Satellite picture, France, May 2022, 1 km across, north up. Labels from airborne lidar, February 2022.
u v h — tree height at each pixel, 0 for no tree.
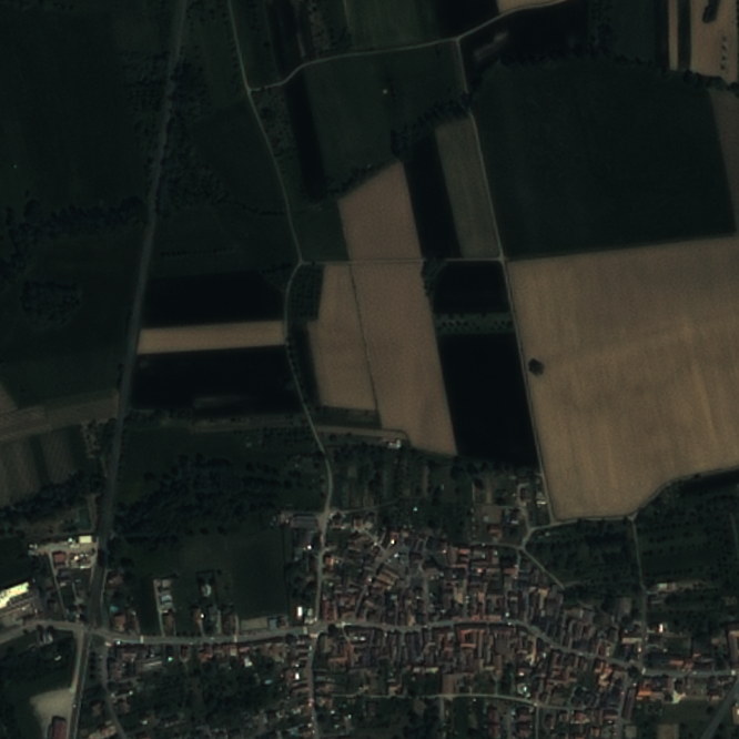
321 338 0
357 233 0
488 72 9
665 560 0
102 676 0
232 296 0
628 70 0
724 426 0
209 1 0
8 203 0
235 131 0
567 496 0
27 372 0
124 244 0
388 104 0
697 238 0
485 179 0
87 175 0
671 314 0
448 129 0
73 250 0
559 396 0
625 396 0
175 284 0
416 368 0
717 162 0
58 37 0
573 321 0
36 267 0
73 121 0
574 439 0
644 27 0
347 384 0
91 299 0
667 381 0
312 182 0
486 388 0
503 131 0
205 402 0
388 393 0
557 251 0
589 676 0
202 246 0
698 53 0
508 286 0
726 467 0
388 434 0
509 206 0
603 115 0
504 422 0
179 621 0
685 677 0
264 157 0
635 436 0
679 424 0
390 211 0
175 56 0
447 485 0
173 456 0
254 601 0
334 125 0
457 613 0
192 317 0
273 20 0
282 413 0
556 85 0
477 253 0
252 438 0
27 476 0
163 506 21
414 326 0
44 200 0
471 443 0
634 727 0
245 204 0
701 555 0
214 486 22
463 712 0
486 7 0
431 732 13
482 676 0
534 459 0
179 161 6
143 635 0
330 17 0
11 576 0
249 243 0
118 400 0
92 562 0
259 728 0
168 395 0
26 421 0
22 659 7
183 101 17
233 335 0
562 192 0
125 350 0
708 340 0
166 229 0
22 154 0
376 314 0
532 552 10
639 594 15
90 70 0
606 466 0
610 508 0
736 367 0
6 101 0
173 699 0
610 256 0
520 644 0
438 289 0
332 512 0
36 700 0
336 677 0
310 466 0
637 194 0
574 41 0
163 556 0
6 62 0
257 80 0
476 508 0
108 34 0
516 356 0
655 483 0
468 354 0
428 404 0
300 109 0
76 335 0
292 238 0
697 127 0
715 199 0
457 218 0
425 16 0
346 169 0
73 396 0
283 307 0
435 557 0
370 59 0
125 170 0
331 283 0
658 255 0
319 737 0
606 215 0
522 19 0
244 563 0
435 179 0
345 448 7
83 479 10
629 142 0
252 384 0
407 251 0
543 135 0
